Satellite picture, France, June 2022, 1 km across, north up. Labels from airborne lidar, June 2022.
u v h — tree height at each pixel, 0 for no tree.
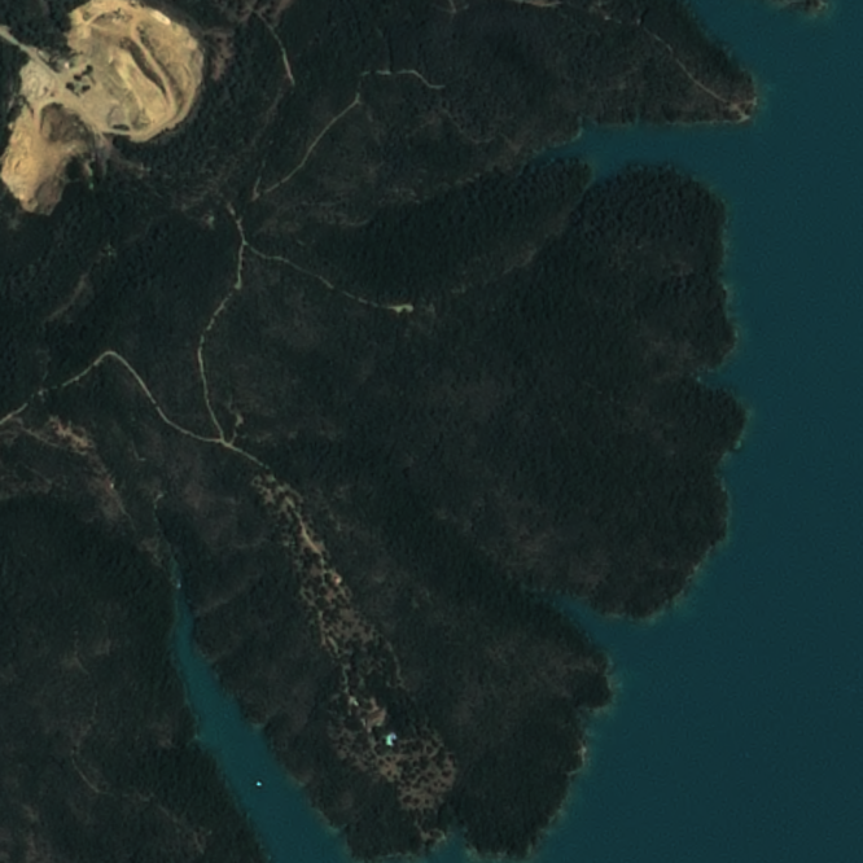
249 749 0
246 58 18
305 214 7
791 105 0
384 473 6
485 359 9
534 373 7
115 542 10
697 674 0
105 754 6
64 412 8
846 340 0
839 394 0
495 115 8
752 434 0
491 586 8
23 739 7
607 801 0
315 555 6
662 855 0
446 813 17
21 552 6
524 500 10
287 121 8
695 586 0
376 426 7
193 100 0
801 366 0
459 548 9
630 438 6
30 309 11
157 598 9
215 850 8
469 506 8
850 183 0
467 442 6
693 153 0
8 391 16
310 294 6
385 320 6
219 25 8
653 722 0
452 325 7
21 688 8
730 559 0
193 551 9
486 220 6
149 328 6
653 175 9
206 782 9
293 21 9
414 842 11
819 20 0
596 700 8
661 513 7
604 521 6
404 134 7
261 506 8
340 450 7
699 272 7
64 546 9
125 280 10
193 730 9
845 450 0
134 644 7
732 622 0
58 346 14
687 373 7
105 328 11
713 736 0
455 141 7
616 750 0
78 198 8
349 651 8
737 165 0
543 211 6
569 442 8
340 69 6
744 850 0
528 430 6
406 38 13
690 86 8
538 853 0
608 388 8
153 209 6
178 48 0
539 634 6
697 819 0
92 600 7
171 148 7
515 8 9
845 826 0
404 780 8
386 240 11
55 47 11
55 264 10
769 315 0
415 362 7
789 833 0
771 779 0
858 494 0
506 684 5
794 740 0
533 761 6
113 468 6
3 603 7
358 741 6
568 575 6
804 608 0
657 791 0
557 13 9
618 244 7
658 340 6
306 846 0
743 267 0
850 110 0
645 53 9
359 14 14
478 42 7
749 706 0
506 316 8
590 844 0
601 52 10
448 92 12
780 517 0
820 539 0
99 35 0
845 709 0
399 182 9
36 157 0
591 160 0
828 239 0
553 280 9
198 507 0
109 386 8
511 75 8
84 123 0
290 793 0
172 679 7
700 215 12
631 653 0
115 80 0
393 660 10
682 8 8
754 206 0
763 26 0
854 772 0
